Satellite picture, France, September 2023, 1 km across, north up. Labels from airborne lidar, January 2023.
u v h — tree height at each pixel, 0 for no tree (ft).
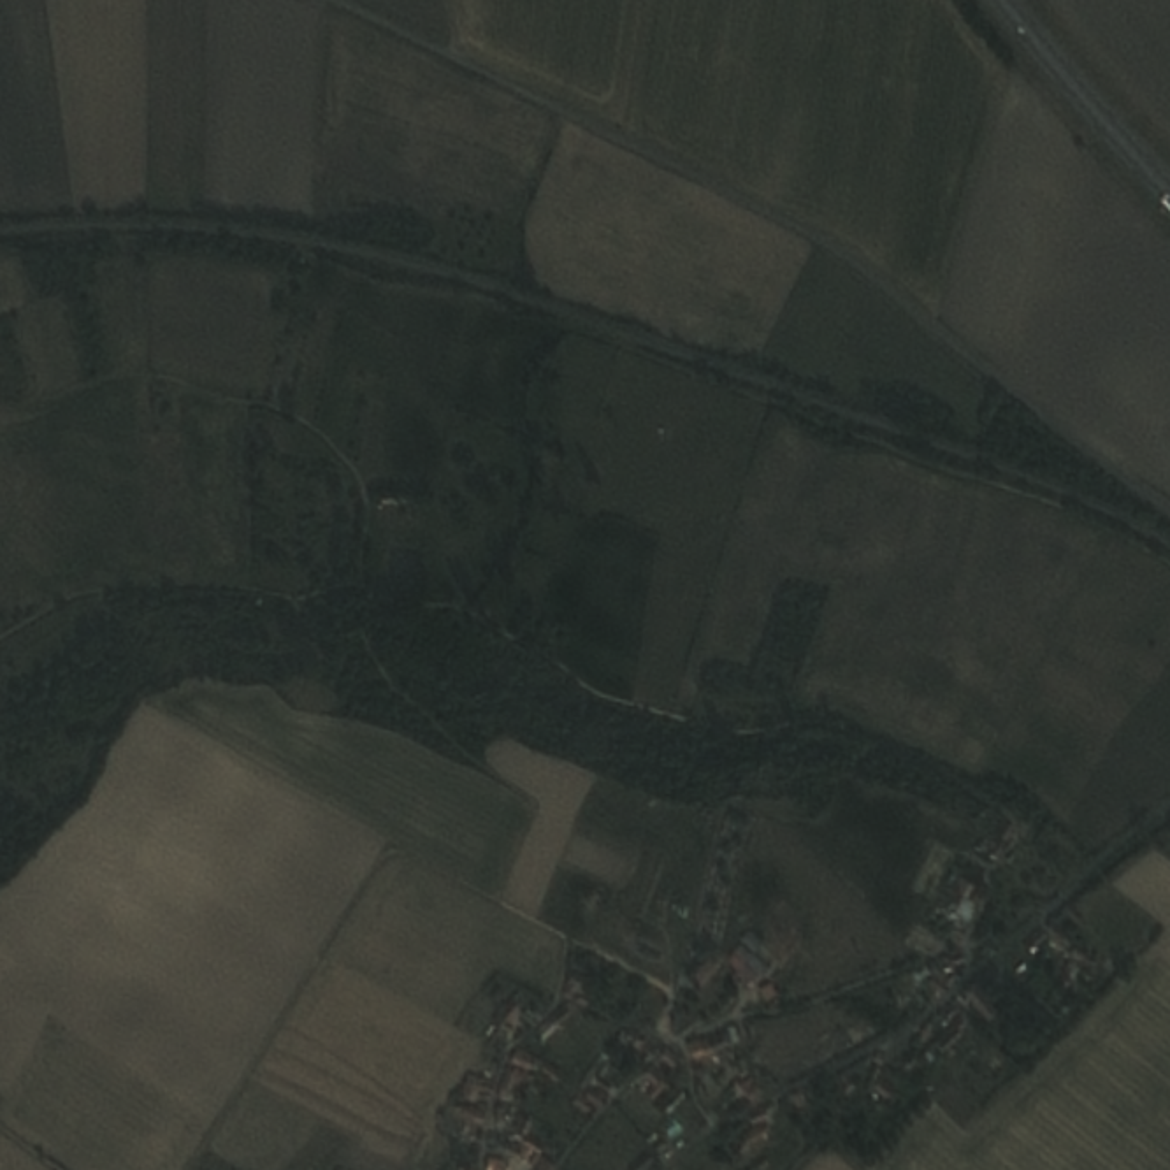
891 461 0
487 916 0
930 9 0
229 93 0
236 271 0
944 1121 0
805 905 0
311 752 0
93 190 0
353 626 37
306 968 0
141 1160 0
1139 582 0
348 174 0
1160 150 0
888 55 0
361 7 0
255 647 28
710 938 40
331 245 0
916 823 0
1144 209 0
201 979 0
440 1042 0
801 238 0
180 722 0
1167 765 0
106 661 42
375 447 0
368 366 0
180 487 0
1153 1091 0
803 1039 0
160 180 0
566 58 0
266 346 0
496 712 23
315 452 0
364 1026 0
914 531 0
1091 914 0
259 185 0
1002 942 32
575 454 0
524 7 0
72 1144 0
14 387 0
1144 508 38
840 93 0
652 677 0
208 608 30
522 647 24
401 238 35
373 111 0
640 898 0
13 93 0
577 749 26
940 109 0
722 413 0
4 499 0
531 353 0
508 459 0
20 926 0
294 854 0
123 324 0
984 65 0
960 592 0
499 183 0
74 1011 0
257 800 0
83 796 31
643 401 0
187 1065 0
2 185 0
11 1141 0
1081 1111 0
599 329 0
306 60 0
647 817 0
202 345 0
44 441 0
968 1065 0
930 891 0
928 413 46
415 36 0
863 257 0
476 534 0
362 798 0
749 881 0
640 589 0
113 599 29
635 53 0
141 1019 0
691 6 0
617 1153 0
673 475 0
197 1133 0
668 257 0
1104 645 0
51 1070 0
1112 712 0
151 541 0
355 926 0
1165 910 0
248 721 0
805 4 0
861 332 0
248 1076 0
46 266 33
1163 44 0
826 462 0
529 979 0
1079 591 0
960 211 0
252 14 0
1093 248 0
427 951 0
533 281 62
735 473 0
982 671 0
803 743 48
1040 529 0
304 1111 0
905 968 24
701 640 0
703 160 0
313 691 0
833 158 0
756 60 0
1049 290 0
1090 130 0
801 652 19
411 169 0
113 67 0
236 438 0
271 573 0
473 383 0
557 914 0
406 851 0
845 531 0
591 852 0
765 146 0
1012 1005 53
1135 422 0
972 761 0
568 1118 0
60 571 0
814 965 0
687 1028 0
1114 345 0
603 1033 0
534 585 0
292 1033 0
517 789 0
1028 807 32
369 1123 0
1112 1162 0
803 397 0
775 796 0
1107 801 0
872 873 0
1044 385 0
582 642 0
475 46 0
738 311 0
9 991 0
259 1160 0
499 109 0
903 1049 0
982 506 0
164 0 0
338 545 48
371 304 0
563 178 0
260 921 0
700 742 38
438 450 0
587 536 0
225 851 0
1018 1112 0
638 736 47
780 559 0
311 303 0
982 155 0
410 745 0
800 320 0
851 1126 36
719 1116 19
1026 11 0
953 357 0
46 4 0
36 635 0
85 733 31
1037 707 0
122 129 0
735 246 0
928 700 0
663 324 0
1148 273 0
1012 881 0
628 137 0
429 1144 0
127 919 0
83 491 0
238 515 0
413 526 0
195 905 0
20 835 27
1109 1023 0
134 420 0
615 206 0
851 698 0
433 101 0
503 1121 0
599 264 0
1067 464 21
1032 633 0
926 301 0
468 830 0
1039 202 0
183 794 0
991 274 0
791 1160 0
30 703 26
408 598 69
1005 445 39
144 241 30
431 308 0
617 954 0
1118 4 0
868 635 0
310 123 0
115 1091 0
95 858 0
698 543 0
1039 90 0
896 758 42
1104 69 0
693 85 0
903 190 0
